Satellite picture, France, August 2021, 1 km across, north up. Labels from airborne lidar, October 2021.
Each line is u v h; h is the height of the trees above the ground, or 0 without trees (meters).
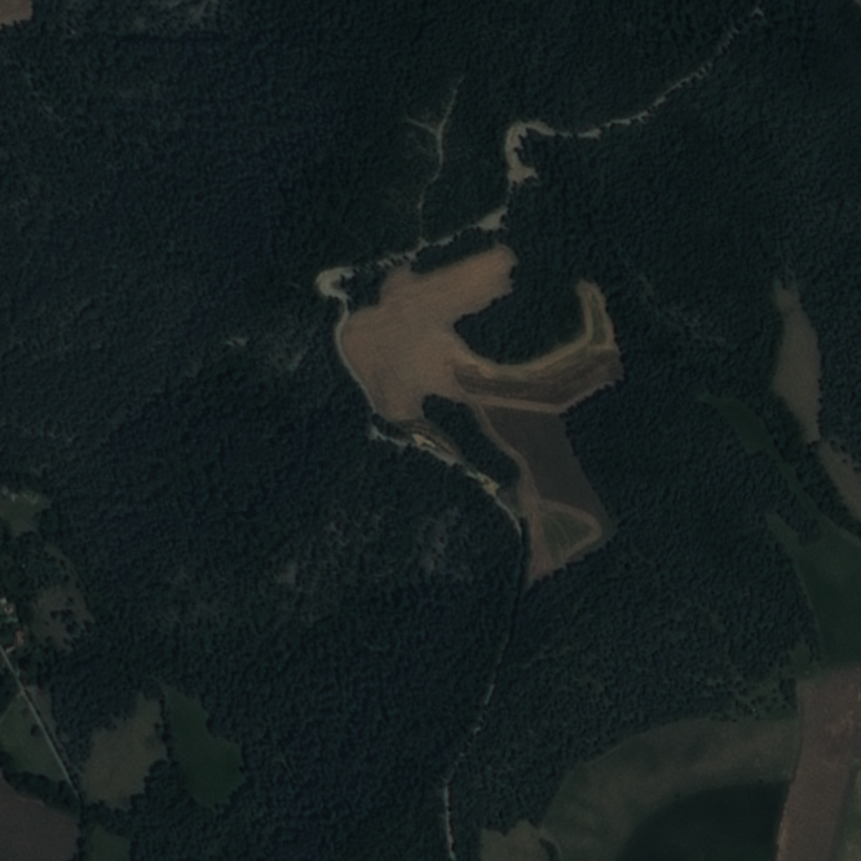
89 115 18
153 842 14
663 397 25
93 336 14
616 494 13
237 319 12
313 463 21
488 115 13
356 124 16
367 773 6
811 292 6
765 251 14
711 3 8
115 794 0
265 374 16
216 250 11
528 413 0
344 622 7
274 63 18
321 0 18
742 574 14
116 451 16
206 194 16
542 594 15
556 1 18
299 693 15
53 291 14
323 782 26
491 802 13
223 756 0
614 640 8
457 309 0
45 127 15
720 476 13
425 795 18
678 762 0
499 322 13
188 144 16
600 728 13
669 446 12
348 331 0
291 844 18
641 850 0
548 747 13
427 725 17
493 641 14
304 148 19
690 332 16
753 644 14
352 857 10
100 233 14
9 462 15
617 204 18
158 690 12
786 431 26
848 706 0
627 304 11
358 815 22
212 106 6
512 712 17
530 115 9
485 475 12
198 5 9
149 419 19
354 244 10
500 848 0
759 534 11
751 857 0
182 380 10
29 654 8
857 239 8
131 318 16
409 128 11
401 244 7
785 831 0
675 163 22
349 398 9
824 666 0
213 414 17
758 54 22
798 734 0
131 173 21
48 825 0
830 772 0
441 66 12
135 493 15
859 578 0
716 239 13
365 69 16
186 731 0
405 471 18
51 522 9
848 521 7
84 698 16
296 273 11
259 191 19
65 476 11
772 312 13
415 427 0
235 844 14
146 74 17
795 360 0
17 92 15
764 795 0
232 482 25
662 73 15
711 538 16
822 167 7
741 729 0
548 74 10
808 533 18
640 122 11
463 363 0
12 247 16
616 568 12
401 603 26
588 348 0
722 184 15
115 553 14
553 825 0
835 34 14
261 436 24
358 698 15
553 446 0
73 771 9
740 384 28
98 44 22
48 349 7
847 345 10
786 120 11
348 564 8
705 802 0
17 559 10
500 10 15
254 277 10
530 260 16
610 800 0
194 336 16
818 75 16
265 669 10
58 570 13
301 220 8
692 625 7
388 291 0
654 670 9
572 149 19
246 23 14
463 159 9
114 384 11
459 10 21
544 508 0
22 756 0
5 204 13
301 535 21
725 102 20
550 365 0
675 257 11
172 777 16
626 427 18
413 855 7
